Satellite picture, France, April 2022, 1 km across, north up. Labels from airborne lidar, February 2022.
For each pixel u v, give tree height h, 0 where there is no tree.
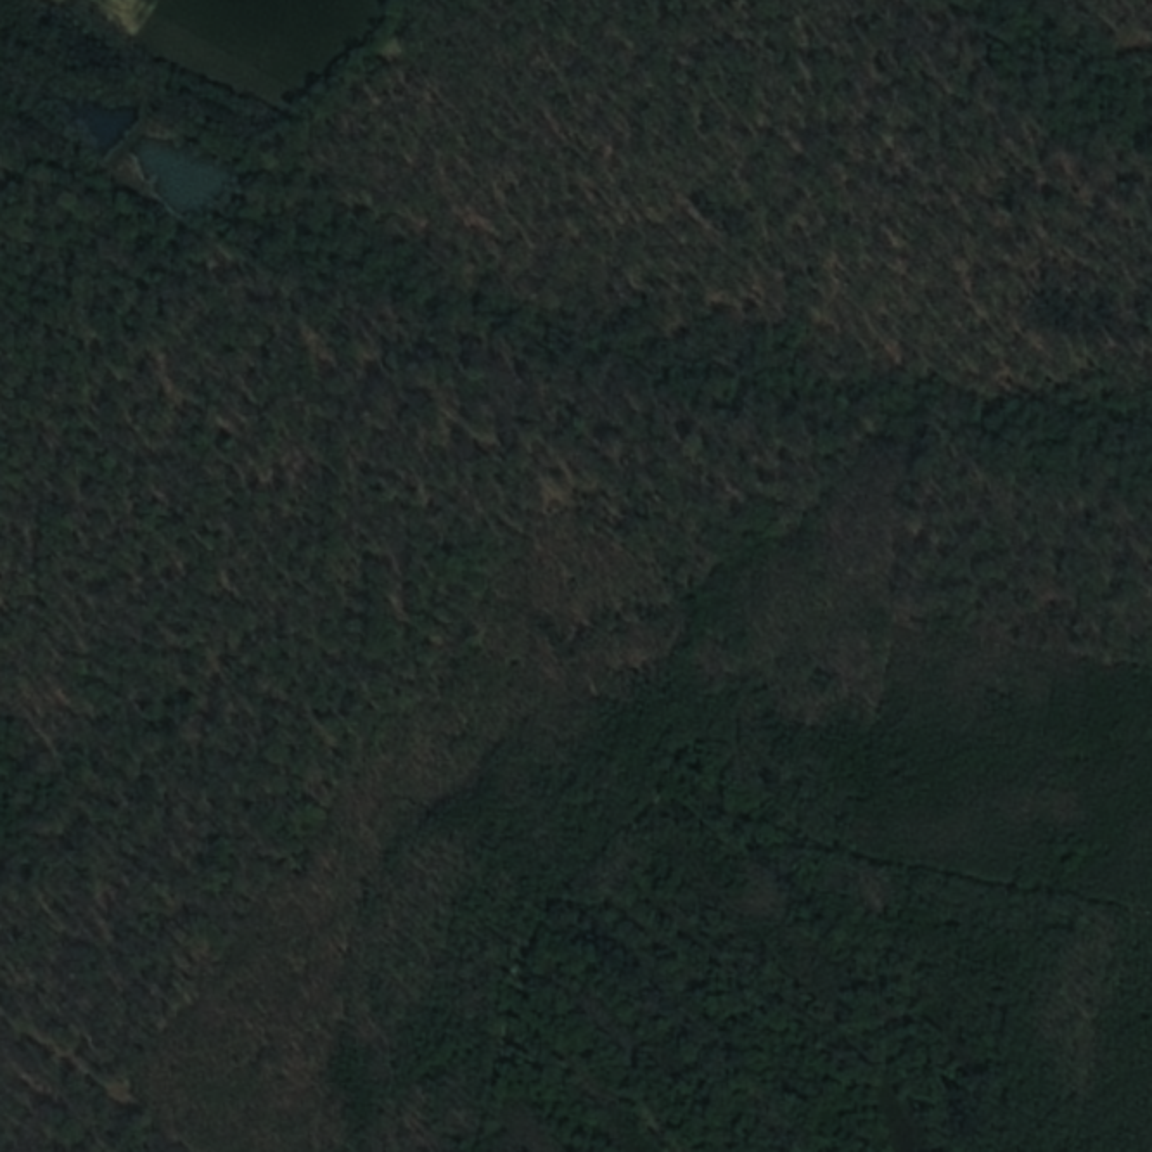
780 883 26
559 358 12
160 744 34
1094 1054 21
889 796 14
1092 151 29
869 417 24
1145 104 24
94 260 29
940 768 12
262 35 0
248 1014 17
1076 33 27
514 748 16
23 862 27
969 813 13
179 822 32
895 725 16
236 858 30
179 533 29
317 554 29
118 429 29
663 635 16
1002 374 28
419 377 31
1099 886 16
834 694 23
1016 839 12
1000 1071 22
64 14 19
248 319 28
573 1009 28
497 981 25
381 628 30
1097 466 31
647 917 26
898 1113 0
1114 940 23
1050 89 36
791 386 19
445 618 27
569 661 14
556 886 19
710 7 31
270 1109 16
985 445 30
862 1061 28
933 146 29
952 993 18
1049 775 16
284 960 15
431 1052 21
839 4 34
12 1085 27
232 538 27
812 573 20
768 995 25
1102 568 31
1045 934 24
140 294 26
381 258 29
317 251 28
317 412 29
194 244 27
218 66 0
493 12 32
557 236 29
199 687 28
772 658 19
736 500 28
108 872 30
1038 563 30
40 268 30
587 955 23
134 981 30
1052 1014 26
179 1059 19
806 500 30
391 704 27
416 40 30
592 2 31
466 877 24
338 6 0
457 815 18
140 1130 28
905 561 18
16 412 29
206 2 0
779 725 24
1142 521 26
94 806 28
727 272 26
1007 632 17
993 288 29
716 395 31
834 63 33
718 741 17
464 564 29
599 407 29
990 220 26
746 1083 22
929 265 28
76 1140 28
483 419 29
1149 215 30
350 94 28
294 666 32
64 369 29
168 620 26
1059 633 16
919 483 27
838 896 26
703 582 24
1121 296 29
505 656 14
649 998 19
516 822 19
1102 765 10
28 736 27
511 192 27
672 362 27
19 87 24
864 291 27
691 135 31
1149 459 26
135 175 0
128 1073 27
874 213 26
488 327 24
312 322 32
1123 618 29
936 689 15
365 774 12
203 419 27
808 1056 16
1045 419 22
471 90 31
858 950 26
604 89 33
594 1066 17
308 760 28
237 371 31
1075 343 27
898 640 14
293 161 32
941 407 29
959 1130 25
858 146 31
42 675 28
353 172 32
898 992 29
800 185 28
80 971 29
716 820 23
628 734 18
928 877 19
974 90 30
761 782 24
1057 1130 22
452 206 30
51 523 24
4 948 28
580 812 19
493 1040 20
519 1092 23
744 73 33
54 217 31
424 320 31
